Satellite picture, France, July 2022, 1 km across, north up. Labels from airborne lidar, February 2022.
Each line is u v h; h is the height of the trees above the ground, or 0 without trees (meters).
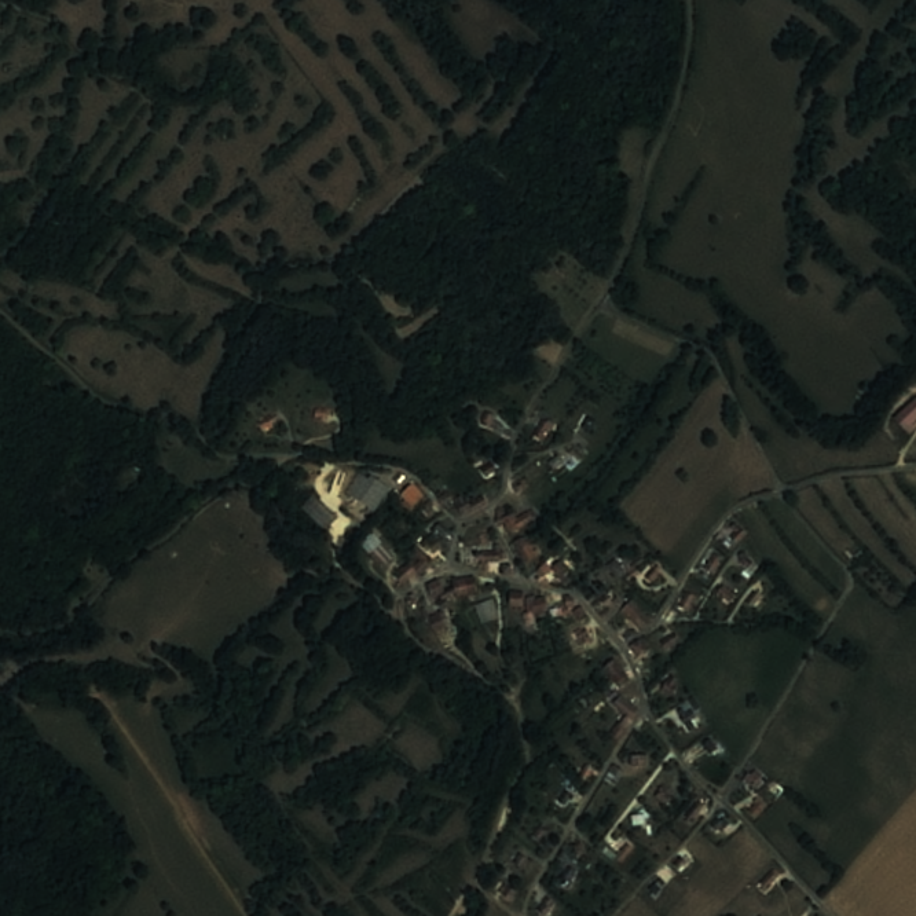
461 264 17
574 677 0
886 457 0
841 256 17
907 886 0
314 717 7
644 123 17
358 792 10
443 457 0
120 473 15
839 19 8
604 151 26
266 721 16
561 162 18
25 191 9
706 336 0
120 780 0
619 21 23
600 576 0
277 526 21
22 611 13
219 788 16
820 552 0
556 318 24
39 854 21
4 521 19
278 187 0
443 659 15
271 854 9
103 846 27
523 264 17
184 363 10
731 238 0
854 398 0
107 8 12
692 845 0
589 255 15
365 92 0
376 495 0
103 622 0
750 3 0
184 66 0
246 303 8
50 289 0
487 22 0
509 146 15
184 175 0
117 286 7
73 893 11
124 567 16
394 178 0
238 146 0
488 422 0
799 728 0
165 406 10
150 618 0
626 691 0
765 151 0
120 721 0
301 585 15
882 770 0
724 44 0
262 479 12
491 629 0
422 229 11
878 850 0
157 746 0
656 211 0
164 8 0
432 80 0
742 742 0
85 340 0
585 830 11
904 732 0
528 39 0
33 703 15
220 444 13
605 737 8
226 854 0
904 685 0
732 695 0
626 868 0
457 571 0
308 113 0
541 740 9
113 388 0
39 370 14
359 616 15
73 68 15
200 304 0
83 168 8
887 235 6
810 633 9
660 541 0
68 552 19
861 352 0
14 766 20
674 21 8
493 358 22
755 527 0
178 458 0
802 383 0
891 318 0
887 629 0
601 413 0
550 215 14
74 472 19
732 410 15
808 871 0
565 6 24
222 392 20
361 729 0
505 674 7
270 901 11
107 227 12
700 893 0
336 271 15
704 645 0
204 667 8
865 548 8
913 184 0
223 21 0
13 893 25
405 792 8
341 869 17
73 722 0
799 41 19
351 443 12
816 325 0
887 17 0
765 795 0
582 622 0
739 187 0
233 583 0
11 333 14
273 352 20
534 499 0
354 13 10
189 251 14
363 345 13
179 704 7
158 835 0
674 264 0
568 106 21
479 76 12
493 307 22
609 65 23
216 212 10
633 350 0
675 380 12
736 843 0
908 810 0
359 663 8
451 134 12
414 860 0
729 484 0
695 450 0
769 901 0
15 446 17
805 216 13
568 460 0
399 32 0
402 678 13
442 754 0
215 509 0
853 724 0
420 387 20
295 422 0
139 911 0
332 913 20
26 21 7
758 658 0
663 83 13
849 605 0
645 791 0
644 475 8
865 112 8
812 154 15
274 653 12
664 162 0
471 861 0
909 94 11
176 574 0
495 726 9
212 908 0
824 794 0
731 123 0
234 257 9
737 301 0
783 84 0
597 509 11
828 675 0
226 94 6
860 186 15
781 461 0
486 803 13
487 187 8
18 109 0
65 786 10
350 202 0
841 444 12
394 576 0
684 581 0
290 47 0
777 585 6
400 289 14
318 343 14
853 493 10
